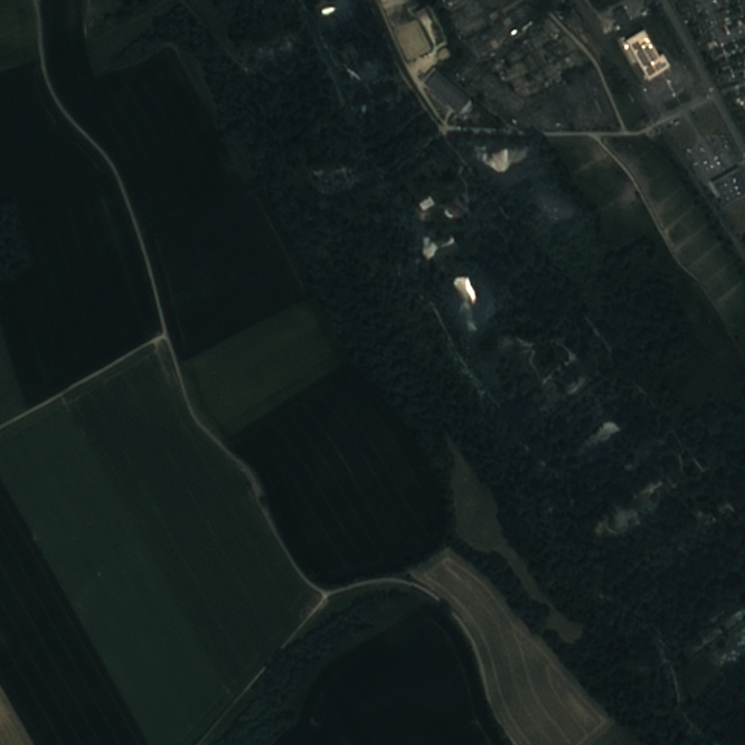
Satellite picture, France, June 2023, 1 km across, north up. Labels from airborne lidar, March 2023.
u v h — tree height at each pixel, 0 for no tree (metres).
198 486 0
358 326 23
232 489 0
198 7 0
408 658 0
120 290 0
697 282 0
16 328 0
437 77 0
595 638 24
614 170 0
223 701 0
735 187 0
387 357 26
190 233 0
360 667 0
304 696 0
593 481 8
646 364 23
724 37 0
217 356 0
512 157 0
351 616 10
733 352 0
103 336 0
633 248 9
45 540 0
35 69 0
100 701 0
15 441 0
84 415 0
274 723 11
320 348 0
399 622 0
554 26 0
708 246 0
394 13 0
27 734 0
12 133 0
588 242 7
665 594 30
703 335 0
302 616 0
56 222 0
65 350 0
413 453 0
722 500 9
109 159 0
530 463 24
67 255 0
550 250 6
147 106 0
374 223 14
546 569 16
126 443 0
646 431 25
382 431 0
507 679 0
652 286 12
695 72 0
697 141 0
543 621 19
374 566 0
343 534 0
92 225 0
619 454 14
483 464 11
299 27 10
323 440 0
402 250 17
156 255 0
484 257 12
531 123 0
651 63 0
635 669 6
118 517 0
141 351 0
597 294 7
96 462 0
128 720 0
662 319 29
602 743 0
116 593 0
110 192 0
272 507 0
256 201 0
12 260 11
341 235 23
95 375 0
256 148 23
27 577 0
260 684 6
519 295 23
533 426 30
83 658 0
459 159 10
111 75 0
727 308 0
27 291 0
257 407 0
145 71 0
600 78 0
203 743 0
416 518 0
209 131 0
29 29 0
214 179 0
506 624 0
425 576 0
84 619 0
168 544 0
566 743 0
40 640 0
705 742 8
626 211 0
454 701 0
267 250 0
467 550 9
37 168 0
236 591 0
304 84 18
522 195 9
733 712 13
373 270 12
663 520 14
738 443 14
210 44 28
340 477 0
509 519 27
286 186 10
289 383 0
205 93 0
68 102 0
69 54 0
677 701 15
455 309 0
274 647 0
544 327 15
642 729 11
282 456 0
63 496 0
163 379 0
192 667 0
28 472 0
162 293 0
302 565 0
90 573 0
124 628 0
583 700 0
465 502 0
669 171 0
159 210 0
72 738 0
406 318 7
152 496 0
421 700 0
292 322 0
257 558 0
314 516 0
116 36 0
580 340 11
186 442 0
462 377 7
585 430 10
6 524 0
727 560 33
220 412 0
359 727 0
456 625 0
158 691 0
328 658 0
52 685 0
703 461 26
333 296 17
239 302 0
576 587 15
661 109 0
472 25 0
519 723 0
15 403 0
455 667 0
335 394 0
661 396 8
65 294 0
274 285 0
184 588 0
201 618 0
